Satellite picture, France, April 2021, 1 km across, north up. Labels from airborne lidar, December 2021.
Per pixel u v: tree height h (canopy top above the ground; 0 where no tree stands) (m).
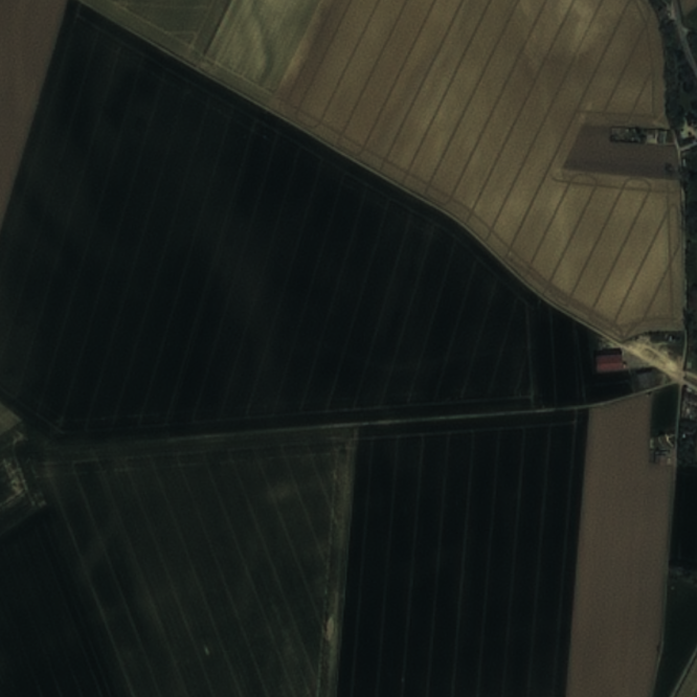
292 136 0
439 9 0
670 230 0
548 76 0
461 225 0
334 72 0
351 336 0
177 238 0
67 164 0
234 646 0
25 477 0
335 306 0
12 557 0
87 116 0
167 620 0
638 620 0
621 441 0
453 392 0
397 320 0
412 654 0
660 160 0
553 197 0
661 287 0
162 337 0
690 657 0
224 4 0
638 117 0
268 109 0
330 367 0
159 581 0
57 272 0
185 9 0
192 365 0
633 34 0
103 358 0
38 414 0
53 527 0
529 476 0
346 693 0
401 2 0
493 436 0
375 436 0
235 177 0
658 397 0
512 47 0
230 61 0
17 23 0
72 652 0
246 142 0
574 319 0
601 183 0
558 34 0
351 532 0
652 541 0
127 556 0
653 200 0
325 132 0
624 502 0
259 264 0
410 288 0
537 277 0
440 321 0
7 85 0
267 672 0
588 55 0
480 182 0
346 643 0
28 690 0
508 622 0
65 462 0
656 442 0
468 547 0
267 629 0
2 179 0
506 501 0
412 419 0
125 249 0
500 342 0
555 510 0
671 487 0
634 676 0
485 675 0
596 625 0
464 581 0
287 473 0
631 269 0
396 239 0
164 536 0
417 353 0
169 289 0
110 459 0
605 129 0
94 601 0
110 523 0
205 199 0
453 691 0
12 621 0
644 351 0
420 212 0
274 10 0
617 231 0
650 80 0
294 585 0
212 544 0
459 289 0
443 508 0
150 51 0
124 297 0
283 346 0
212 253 0
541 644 0
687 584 0
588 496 0
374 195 0
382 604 0
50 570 0
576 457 0
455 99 0
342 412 0
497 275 0
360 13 0
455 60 0
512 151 0
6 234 0
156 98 0
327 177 0
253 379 0
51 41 0
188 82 0
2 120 0
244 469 0
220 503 0
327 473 0
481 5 0
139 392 0
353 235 0
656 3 15
